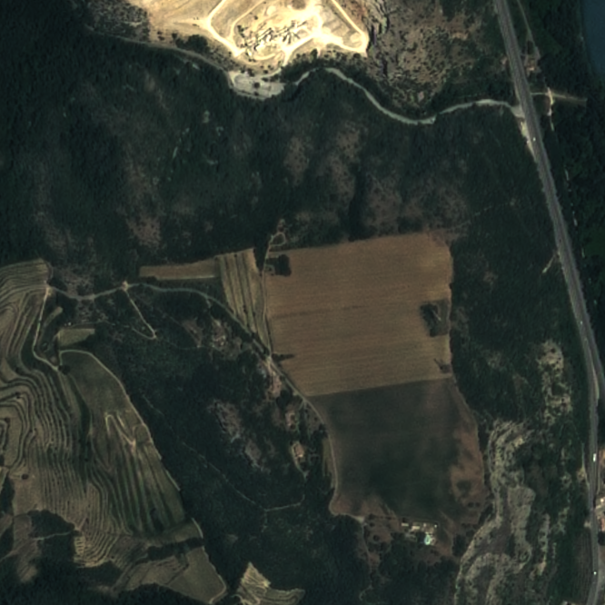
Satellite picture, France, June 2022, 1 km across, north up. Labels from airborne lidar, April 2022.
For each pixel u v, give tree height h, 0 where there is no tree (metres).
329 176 5
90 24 10
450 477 0
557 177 15
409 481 0
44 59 13
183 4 0
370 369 0
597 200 11
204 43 10
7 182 10
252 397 6
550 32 17
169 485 0
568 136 17
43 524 9
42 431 0
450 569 7
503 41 9
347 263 0
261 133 6
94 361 0
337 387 0
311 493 12
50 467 0
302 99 9
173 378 9
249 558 7
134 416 0
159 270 0
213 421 6
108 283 6
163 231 7
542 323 7
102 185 10
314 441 7
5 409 0
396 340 0
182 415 7
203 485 7
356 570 8
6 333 0
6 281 0
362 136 7
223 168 11
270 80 6
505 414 8
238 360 7
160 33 11
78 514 0
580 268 17
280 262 6
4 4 20
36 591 15
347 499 0
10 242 12
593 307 12
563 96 0
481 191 9
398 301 0
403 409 0
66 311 12
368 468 0
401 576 7
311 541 7
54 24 16
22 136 13
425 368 0
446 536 0
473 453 0
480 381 9
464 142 7
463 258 6
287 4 0
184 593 0
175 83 14
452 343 8
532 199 8
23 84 22
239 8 0
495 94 22
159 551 7
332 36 0
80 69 10
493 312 8
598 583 0
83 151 12
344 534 8
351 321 0
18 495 0
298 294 0
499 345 9
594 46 0
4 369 0
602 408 9
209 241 7
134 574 0
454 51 0
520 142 7
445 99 9
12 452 0
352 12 0
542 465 11
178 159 9
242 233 6
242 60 0
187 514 10
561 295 7
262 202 7
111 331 6
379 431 0
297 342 0
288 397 15
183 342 6
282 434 8
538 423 7
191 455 9
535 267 7
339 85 6
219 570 13
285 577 7
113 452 0
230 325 7
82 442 8
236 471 6
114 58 14
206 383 9
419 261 0
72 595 10
